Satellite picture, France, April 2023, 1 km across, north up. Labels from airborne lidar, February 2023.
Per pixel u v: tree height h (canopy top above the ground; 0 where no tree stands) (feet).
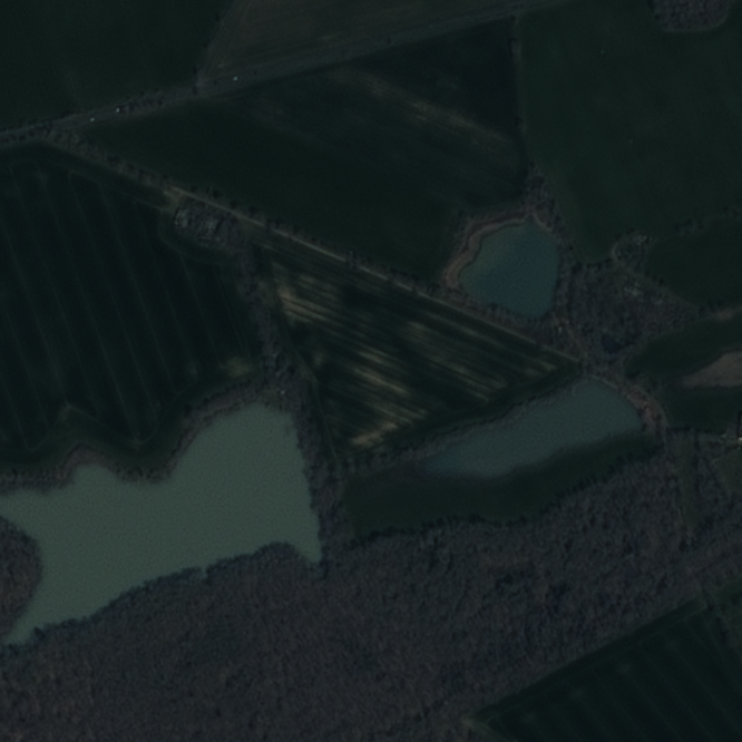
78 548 0
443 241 0
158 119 0
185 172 0
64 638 66
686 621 0
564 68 0
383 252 0
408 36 0
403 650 68
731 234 0
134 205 0
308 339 0
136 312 0
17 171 0
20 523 0
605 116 0
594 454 0
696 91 0
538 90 0
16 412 0
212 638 65
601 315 63
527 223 0
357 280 0
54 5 0
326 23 0
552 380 0
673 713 0
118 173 64
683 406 0
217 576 55
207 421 25
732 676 0
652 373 0
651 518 58
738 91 0
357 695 63
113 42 0
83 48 0
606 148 0
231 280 0
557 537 54
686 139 0
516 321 38
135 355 0
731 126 0
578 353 35
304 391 69
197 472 0
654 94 0
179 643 50
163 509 0
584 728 0
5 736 40
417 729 58
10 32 0
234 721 62
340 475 39
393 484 0
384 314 0
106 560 0
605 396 0
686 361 0
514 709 0
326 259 0
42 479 21
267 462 0
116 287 0
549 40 0
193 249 0
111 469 0
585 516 56
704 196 0
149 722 60
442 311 0
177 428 0
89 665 62
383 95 0
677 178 0
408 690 76
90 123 0
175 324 0
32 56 0
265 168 0
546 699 0
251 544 0
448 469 0
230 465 0
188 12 0
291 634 54
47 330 0
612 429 0
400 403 0
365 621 75
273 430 0
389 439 0
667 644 0
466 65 0
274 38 0
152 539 0
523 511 0
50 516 0
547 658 70
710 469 55
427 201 0
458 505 0
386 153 0
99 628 72
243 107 0
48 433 0
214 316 0
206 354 0
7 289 0
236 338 0
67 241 0
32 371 0
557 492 0
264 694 66
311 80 0
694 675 0
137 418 0
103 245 0
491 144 0
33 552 51
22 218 0
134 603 61
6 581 54
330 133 0
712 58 0
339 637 58
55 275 0
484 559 72
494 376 0
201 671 64
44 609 0
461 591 62
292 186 0
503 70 0
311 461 52
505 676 73
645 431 34
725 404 0
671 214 0
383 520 0
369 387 0
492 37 0
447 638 67
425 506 0
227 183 0
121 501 0
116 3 0
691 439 58
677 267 0
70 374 0
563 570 49
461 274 0
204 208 33
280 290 0
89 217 0
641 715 0
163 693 64
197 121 0
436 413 0
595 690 0
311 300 0
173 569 0
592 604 74
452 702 80
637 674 0
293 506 0
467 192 0
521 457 0
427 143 0
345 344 0
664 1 60
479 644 50
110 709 51
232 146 0
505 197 0
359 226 0
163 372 0
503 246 0
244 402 24
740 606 66
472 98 0
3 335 0
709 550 53
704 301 0
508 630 63
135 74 0
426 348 0
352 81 0
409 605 58
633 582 62
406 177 0
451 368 0
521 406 17
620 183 0
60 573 0
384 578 52
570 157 0
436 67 0
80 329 0
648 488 77
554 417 0
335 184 0
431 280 0
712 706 0
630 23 0
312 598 50
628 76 0
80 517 0
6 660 59
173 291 0
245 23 0
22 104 0
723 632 38
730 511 40
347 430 0
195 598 66
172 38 0
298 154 0
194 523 0
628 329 24
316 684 69
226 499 0
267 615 62
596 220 0
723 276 0
